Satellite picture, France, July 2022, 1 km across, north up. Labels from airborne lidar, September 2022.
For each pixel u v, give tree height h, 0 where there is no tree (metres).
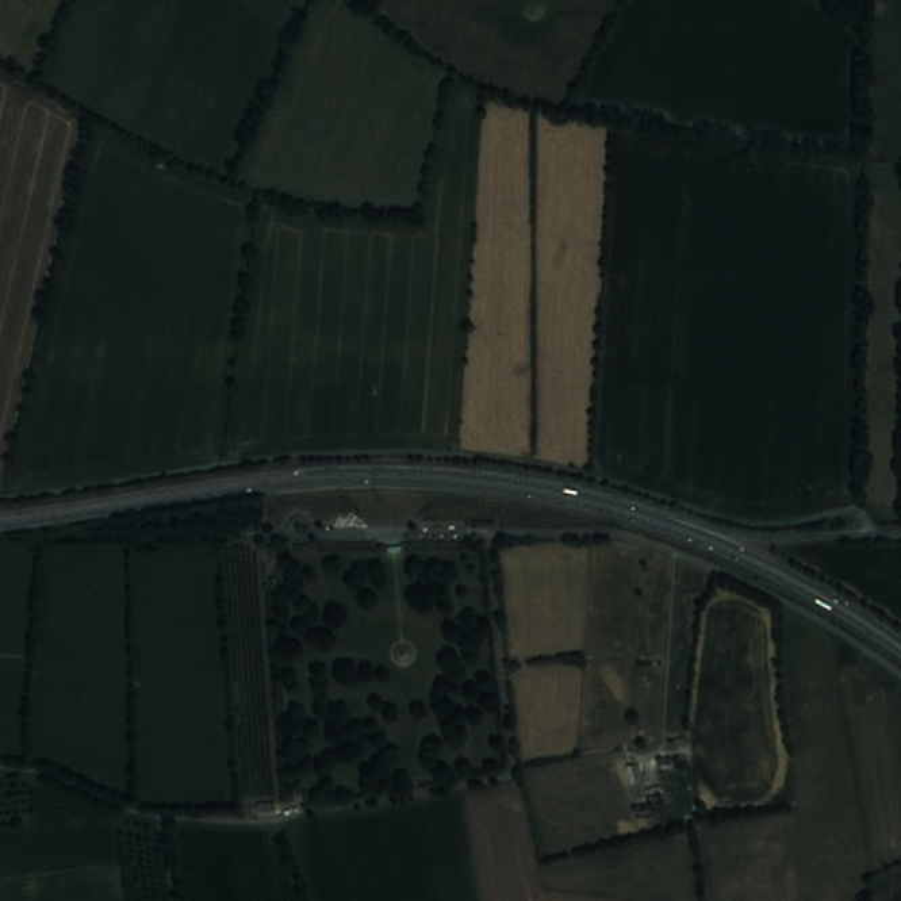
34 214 0
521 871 0
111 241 0
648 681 0
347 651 0
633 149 0
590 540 11
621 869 0
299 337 0
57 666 0
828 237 0
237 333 14
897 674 0
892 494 0
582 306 0
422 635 0
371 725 15
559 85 0
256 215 15
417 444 0
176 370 0
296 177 0
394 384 0
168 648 0
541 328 0
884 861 0
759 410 0
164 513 14
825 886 0
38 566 11
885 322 0
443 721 11
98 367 0
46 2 0
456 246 0
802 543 0
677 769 8
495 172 0
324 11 0
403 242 0
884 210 0
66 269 0
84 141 9
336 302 0
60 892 0
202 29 0
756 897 0
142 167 0
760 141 27
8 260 0
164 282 0
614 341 0
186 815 13
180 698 0
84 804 10
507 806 0
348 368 0
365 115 0
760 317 0
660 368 0
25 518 0
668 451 0
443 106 10
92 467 0
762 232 0
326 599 0
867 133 19
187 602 0
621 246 0
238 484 0
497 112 0
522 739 0
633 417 0
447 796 13
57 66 0
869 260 13
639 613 0
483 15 0
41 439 0
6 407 0
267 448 0
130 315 0
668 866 0
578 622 0
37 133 0
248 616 7
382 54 0
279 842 16
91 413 0
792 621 0
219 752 0
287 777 17
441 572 17
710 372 0
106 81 0
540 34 0
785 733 11
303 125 0
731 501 0
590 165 0
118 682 0
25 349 0
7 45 0
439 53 0
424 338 0
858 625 0
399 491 0
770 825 0
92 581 0
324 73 0
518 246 0
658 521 0
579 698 0
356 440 0
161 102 0
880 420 0
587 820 0
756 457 0
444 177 0
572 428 0
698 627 8
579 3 0
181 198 0
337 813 0
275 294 0
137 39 0
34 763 10
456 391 0
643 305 0
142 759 0
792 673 0
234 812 12
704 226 0
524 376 0
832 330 0
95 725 0
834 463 0
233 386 15
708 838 0
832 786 0
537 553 0
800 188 0
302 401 0
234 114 0
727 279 0
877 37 0
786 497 0
